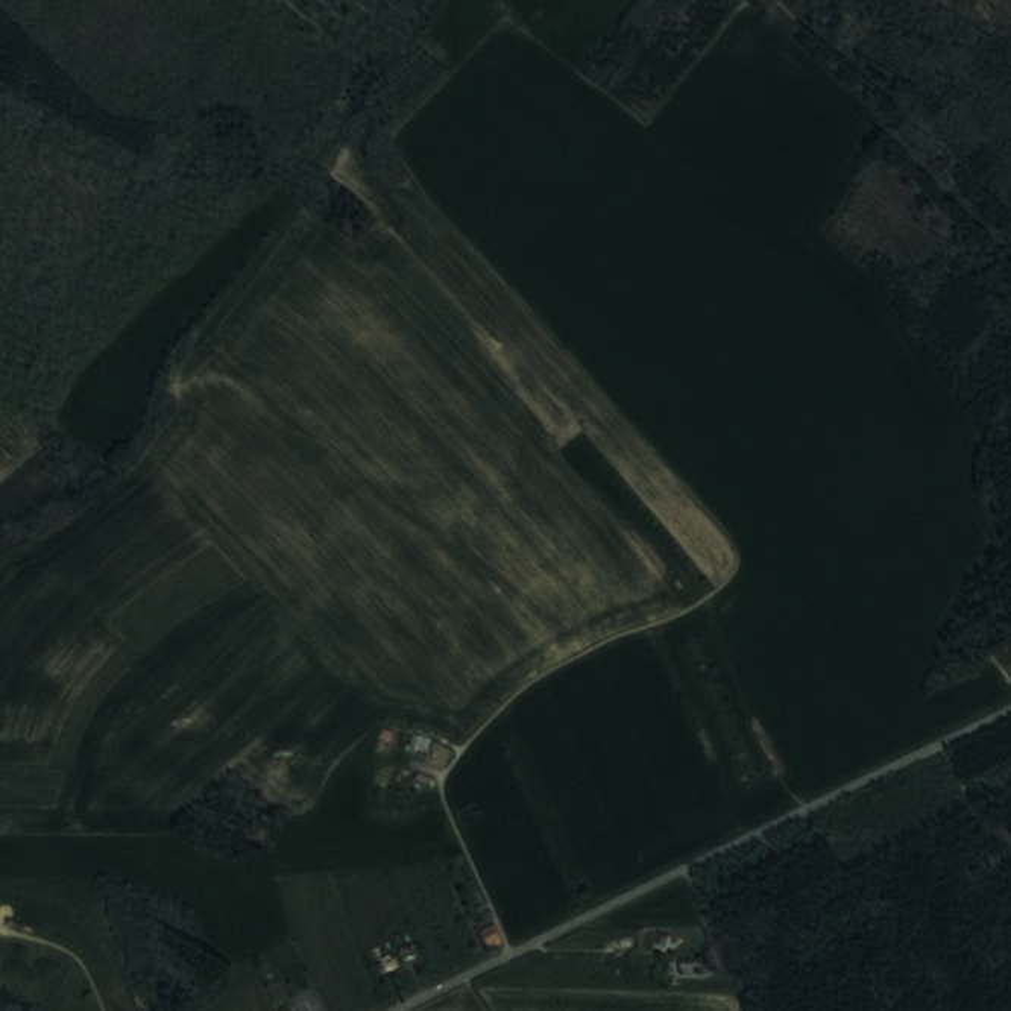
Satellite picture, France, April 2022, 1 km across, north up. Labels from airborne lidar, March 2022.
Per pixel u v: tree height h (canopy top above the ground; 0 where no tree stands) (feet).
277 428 0
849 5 56
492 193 0
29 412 69
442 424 0
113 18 47
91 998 37
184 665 0
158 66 58
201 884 0
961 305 51
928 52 62
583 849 0
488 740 0
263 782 0
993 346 58
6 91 50
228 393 0
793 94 0
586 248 0
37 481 0
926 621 0
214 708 0
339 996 0
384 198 0
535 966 0
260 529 0
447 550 0
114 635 0
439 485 0
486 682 0
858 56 30
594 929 0
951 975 77
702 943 0
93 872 0
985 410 55
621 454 0
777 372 0
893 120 61
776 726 0
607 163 0
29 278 85
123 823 0
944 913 68
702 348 0
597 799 0
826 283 0
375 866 0
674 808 0
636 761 0
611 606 0
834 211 0
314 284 0
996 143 67
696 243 0
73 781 0
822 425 0
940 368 48
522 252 0
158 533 0
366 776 0
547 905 0
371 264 0
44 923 0
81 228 81
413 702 0
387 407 0
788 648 0
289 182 62
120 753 0
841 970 81
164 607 0
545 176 0
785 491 0
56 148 82
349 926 0
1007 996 65
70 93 59
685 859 0
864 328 0
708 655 0
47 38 47
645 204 0
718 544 0
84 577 0
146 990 26
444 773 0
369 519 0
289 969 0
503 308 0
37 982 0
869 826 0
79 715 0
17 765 0
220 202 70
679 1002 0
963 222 78
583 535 0
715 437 0
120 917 29
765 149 0
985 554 0
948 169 74
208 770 0
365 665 0
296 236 0
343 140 31
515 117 0
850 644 0
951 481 0
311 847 0
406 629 0
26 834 0
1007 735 45
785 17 0
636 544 0
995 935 55
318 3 76
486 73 0
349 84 82
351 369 0
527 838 0
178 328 0
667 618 0
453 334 0
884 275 55
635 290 0
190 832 77
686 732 0
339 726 0
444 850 0
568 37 0
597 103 0
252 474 0
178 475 0
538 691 0
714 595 0
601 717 0
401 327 0
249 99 47
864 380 0
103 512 0
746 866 55
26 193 81
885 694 0
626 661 0
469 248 0
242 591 0
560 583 0
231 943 0
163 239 73
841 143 0
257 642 0
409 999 0
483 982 0
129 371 0
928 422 0
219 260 0
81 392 0
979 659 48
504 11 0
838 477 0
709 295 0
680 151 0
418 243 0
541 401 0
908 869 84
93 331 79
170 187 85
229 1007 0
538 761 0
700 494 0
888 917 64
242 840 49
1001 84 63
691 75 0
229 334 0
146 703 0
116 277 72
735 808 0
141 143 70
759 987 39
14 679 0
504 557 0
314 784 0
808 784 0
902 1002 62
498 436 0
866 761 0
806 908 73
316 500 0
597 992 0
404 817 0
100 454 0
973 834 85
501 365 0
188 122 50
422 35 52
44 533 75
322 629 0
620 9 0
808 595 0
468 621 0
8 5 47
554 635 0
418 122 0
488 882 0
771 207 0
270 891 0
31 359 78
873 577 0
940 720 0
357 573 0
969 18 38
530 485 0
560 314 0
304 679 0
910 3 96
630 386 0
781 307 0
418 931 0
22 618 0
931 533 0
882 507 0
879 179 0
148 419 40
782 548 0
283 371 0
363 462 0
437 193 0
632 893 0
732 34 0
